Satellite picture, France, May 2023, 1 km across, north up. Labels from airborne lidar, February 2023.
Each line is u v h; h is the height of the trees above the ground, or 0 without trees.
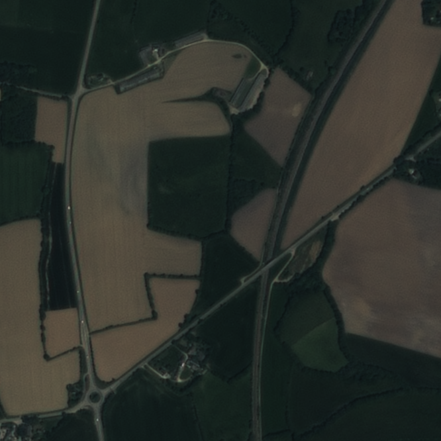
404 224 0
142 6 0
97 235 0
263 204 0
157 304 0
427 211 0
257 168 0
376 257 0
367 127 0
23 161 0
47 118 0
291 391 0
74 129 0
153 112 0
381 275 0
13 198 0
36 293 0
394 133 0
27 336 0
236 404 0
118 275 0
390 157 0
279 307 0
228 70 0
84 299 0
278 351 0
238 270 0
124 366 0
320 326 0
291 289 12
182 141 0
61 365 0
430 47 0
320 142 0
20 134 10
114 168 0
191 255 0
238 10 0
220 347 0
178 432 0
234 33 0
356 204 9
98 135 0
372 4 12
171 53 0
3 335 0
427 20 11
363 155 0
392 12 0
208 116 0
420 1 0
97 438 0
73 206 0
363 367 16
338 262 0
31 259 0
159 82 0
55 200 0
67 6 0
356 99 0
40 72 0
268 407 0
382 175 0
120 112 0
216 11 13
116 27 0
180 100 0
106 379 0
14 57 0
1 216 0
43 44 0
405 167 17
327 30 0
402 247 0
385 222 0
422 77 0
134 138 0
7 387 0
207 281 0
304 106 0
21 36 0
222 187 0
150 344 0
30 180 0
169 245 0
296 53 0
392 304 0
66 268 0
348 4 0
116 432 0
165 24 0
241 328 0
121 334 0
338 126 0
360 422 0
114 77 0
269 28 0
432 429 0
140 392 0
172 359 0
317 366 0
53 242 0
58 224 0
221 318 0
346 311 0
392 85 0
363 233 0
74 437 0
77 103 0
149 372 0
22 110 11
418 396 0
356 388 0
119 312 0
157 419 0
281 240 0
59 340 0
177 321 0
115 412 0
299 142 0
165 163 0
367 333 0
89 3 0
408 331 0
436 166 14
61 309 0
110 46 0
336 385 0
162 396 0
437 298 0
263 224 0
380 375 16
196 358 8
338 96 0
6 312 0
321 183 0
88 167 0
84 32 0
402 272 0
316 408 0
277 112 0
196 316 7
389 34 0
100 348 0
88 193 0
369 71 0
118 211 0
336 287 0
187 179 0
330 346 0
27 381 0
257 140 0
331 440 0
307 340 0
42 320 8
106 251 0
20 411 0
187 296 0
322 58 0
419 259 0
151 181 0
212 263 0
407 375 0
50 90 0
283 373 0
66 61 0
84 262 0
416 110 0
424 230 0
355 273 0
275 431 0
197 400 0
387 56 0
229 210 9
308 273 13
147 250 0
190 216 0
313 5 0
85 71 0
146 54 0
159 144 0
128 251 0
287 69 10
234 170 9
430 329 0
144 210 0
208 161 0
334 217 0
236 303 0
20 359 0
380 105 0
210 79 0
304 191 0
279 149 0
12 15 0
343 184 0
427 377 0
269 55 9
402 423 0
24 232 0
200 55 0
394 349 0
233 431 0
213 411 0
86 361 0
